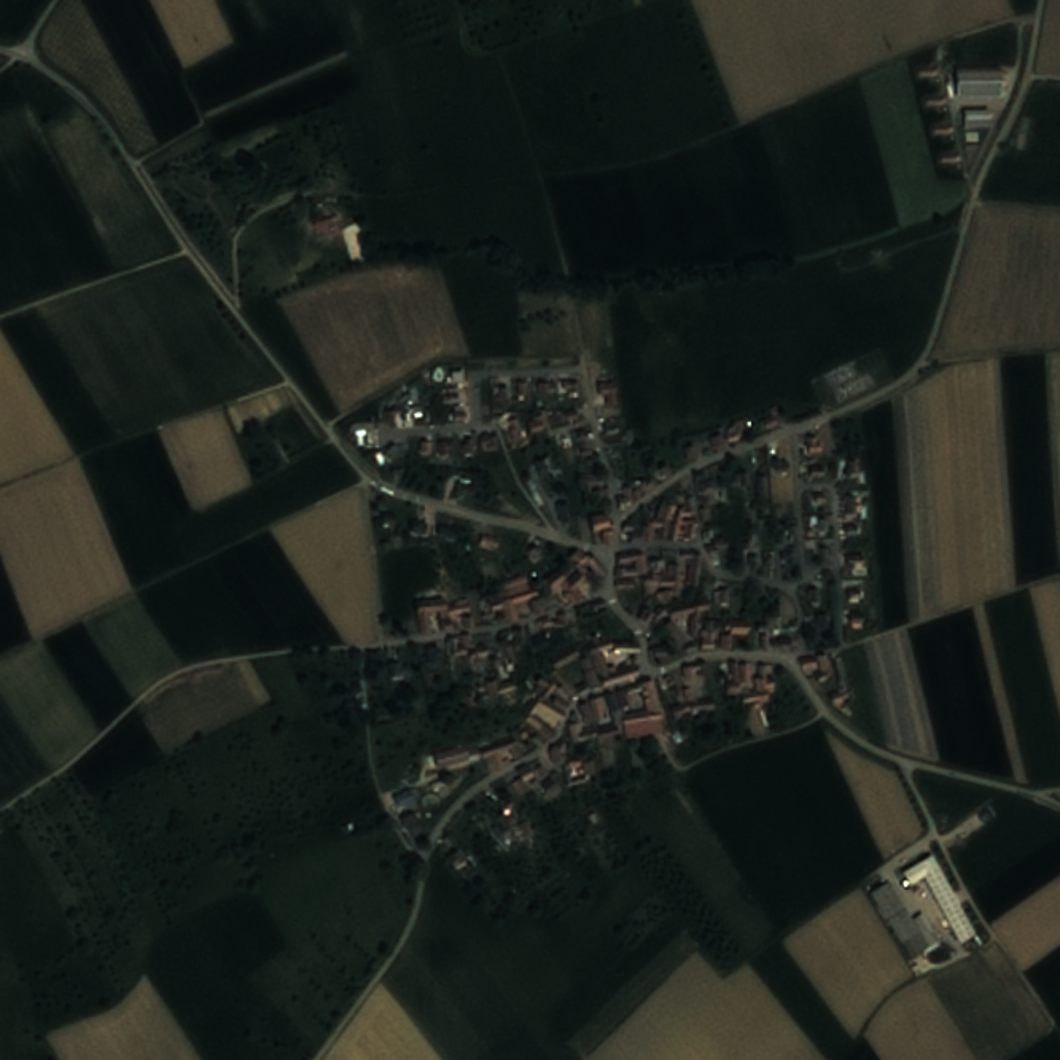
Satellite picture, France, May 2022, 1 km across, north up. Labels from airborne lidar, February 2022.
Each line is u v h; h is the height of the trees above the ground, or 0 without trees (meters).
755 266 21
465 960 0
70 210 0
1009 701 0
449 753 0
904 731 0
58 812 0
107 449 0
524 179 0
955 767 0
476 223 0
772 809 0
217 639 0
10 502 0
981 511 0
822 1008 0
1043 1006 0
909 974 0
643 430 0
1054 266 0
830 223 0
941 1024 0
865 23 0
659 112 0
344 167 7
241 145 0
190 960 0
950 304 0
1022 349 0
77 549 0
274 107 0
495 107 0
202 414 0
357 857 0
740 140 0
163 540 0
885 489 0
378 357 0
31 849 0
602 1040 0
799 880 0
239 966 0
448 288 0
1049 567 0
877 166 0
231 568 0
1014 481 0
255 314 0
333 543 0
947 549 0
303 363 0
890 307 0
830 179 0
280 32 0
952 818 0
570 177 0
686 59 0
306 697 0
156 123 0
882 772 0
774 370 0
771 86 0
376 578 0
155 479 0
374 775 0
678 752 0
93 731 0
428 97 0
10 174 0
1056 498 0
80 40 0
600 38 0
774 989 0
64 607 0
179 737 0
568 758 0
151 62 0
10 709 0
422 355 0
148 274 0
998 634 0
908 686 0
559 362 0
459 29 0
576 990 0
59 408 0
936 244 0
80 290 0
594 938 0
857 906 0
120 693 0
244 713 0
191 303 0
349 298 0
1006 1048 0
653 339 0
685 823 0
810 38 0
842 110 0
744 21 0
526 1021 0
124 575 0
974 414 0
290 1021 0
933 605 0
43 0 0
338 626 0
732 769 0
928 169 0
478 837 6
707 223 0
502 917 11
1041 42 0
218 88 0
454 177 0
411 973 0
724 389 0
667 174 0
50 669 0
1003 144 7
